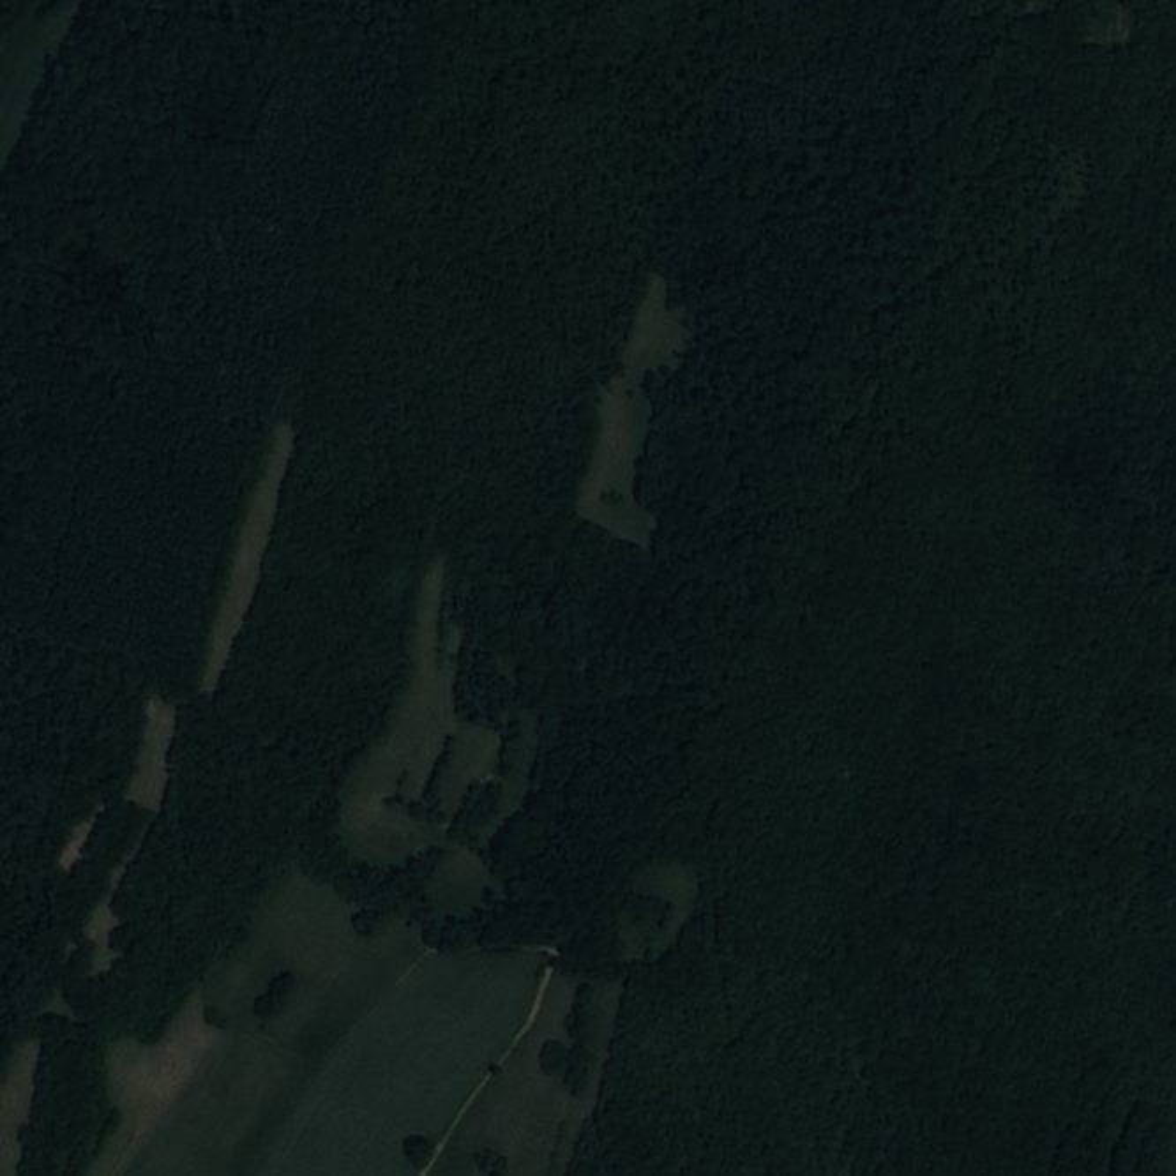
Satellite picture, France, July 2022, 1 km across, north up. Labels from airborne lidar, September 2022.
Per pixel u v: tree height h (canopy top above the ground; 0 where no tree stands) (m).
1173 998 14
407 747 0
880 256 18
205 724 17
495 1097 0
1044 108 20
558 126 13
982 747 18
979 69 19
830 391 18
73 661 21
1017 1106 17
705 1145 8
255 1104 0
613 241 16
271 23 23
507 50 18
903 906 18
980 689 18
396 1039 0
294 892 0
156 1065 0
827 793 14
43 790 24
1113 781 17
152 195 25
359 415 15
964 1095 16
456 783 0
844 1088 13
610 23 17
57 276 27
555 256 15
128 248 31
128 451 21
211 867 14
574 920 18
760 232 18
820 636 17
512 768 12
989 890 19
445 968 0
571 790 22
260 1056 0
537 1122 0
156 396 23
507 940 19
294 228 19
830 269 21
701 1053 14
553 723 19
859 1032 17
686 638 21
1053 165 17
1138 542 23
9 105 0
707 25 17
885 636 16
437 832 0
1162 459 19
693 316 9
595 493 0
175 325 24
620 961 10
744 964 17
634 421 0
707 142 18
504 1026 0
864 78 18
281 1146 0
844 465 17
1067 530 19
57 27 0
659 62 17
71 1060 18
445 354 22
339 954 0
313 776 19
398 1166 0
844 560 17
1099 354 16
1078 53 18
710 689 18
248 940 19
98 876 15
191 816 17
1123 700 17
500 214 19
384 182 18
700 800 16
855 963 23
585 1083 8
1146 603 18
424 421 11
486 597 24
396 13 29
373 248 20
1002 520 16
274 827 15
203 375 21
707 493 24
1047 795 22
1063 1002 18
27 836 21
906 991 18
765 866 14
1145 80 15
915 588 16
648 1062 9
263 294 26
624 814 19
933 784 16
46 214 34
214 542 20
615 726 22
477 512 11
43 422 23
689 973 16
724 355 24
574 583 14
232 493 16
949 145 18
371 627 15
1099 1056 15
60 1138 19
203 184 20
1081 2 16
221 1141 0
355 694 11
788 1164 16
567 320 19
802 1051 15
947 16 16
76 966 16
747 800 15
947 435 20
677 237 19
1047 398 15
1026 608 18
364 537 17
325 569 15
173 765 15
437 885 0
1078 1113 12
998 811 16
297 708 13
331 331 18
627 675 16
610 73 17
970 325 16
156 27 28
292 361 16
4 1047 17
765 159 17
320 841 18
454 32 24
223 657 0
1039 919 22
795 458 18
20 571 17
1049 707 16
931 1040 17
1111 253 19
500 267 25
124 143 26
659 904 8
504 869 22
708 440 18
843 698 15
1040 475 17
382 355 15
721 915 15
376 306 15
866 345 17
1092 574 20
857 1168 18
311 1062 0
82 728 21
